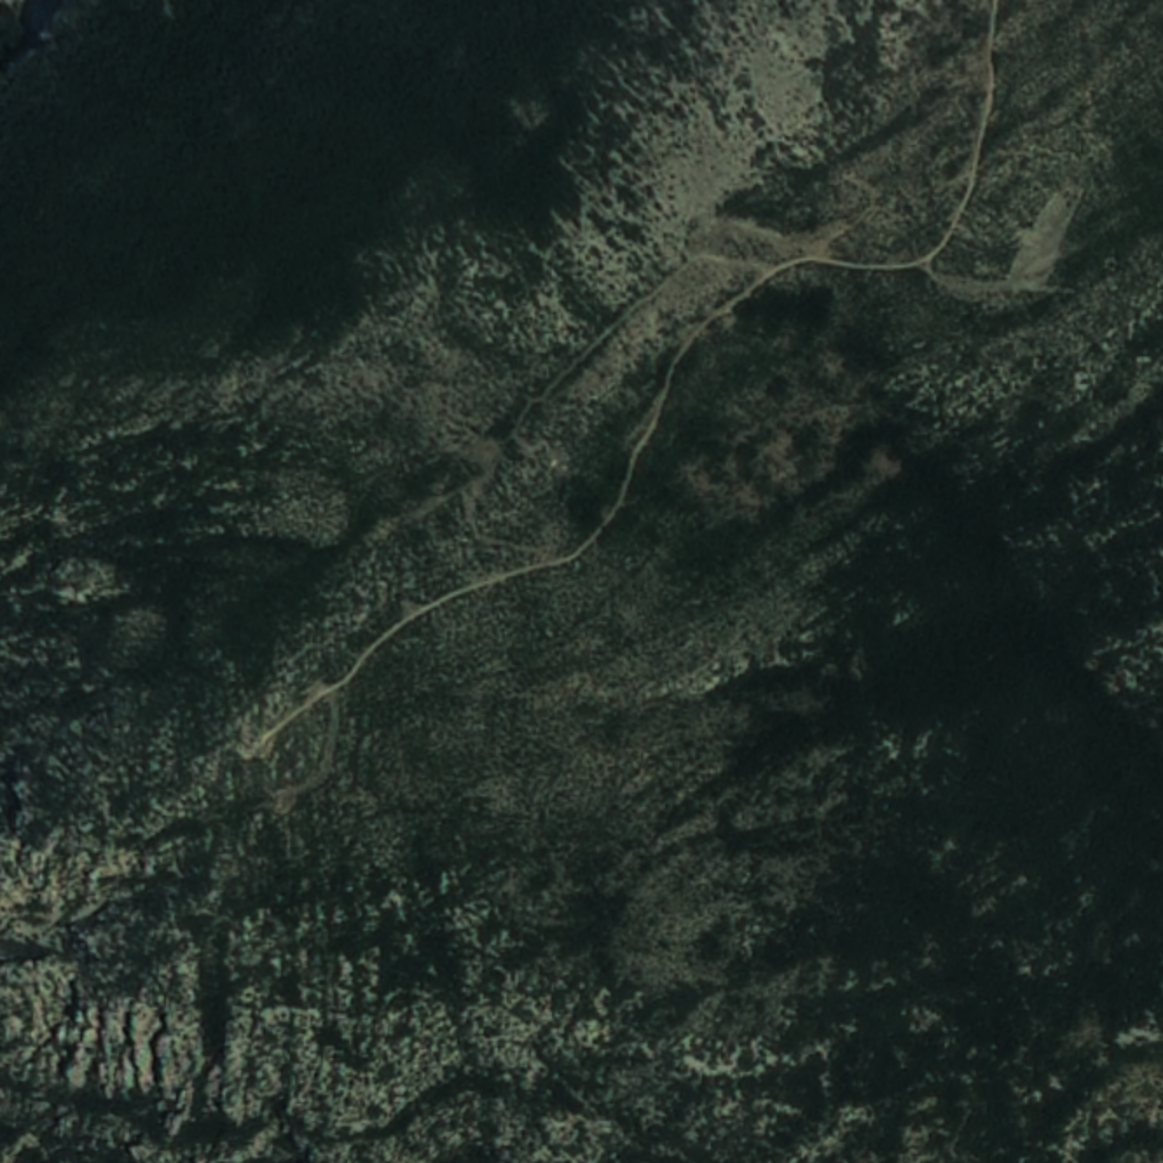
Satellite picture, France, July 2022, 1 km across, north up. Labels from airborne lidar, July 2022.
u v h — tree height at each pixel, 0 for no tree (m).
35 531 8
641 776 0
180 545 6
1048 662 10
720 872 0
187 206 5
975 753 6
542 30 7
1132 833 8
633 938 0
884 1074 5
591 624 0
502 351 0
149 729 0
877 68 0
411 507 0
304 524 0
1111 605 6
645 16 0
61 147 7
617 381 0
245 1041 0
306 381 0
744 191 0
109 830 0
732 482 0
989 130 0
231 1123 6
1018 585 5
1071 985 6
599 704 0
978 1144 6
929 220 0
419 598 0
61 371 0
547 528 0
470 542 0
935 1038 6
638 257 0
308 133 6
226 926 0
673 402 0
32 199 8
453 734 0
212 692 0
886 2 0
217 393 0
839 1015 5
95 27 7
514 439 0
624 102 0
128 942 0
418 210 0
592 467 0
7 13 11
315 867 0
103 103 7
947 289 0
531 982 0
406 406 0
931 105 0
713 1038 0
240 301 0
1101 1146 7
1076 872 6
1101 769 7
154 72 5
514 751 0
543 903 0
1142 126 0
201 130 8
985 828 6
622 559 0
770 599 0
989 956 6
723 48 0
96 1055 7
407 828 0
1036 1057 6
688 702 0
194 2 6
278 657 0
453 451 0
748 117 0
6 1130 7
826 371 0
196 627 0
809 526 0
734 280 0
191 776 0
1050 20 0
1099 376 0
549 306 0
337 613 0
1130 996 6
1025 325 0
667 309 0
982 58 0
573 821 0
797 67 0
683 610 0
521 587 0
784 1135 6
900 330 0
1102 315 0
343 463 0
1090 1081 7
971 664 8
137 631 0
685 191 0
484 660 0
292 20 6
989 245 0
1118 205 0
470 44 6
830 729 6
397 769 0
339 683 0
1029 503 6
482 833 0
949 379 0
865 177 0
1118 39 0
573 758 0
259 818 0
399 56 6
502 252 0
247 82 6
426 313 0
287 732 0
